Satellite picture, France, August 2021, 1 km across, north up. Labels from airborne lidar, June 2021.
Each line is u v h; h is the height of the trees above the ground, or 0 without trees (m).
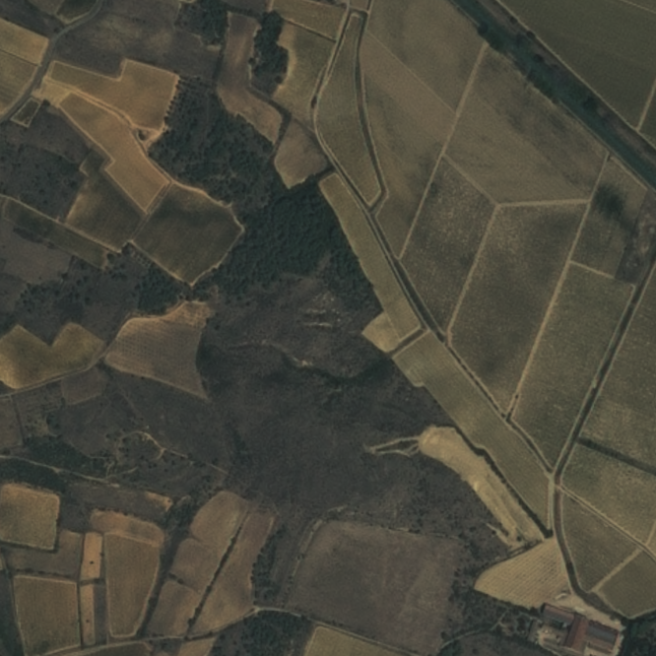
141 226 0
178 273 0
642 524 0
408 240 0
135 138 0
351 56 0
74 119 0
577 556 0
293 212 14
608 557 0
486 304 0
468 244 0
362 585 0
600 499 0
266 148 10
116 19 0
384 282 0
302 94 0
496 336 0
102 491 0
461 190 0
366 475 0
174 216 0
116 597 0
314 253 14
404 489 0
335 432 0
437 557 0
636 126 0
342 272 13
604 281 0
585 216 0
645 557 0
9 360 0
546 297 0
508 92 0
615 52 0
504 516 0
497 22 0
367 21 0
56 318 0
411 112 0
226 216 0
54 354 0
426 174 0
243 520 0
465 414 0
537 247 0
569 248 0
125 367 0
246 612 0
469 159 0
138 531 0
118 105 0
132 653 0
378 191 0
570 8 0
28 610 0
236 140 7
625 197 0
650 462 0
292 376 0
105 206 0
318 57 0
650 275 0
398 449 0
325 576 0
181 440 0
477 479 0
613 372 0
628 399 0
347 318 0
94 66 0
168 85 0
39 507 0
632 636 15
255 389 0
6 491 0
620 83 0
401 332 0
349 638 0
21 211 0
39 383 0
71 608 0
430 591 0
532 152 0
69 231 0
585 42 0
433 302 0
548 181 0
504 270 0
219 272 8
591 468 0
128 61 0
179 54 0
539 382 0
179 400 0
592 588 0
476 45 0
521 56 0
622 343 0
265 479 0
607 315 0
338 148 0
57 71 0
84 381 0
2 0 0
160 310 8
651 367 0
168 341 0
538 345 0
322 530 0
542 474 0
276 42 10
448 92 0
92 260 0
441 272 0
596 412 0
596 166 0
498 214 0
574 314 0
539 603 0
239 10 7
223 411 0
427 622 0
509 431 0
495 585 0
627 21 0
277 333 0
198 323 0
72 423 0
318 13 0
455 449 0
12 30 0
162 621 0
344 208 0
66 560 0
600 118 0
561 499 0
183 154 11
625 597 0
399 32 0
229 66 0
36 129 0
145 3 0
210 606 0
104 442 0
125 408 0
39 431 0
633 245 0
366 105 0
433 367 0
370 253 0
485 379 0
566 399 0
